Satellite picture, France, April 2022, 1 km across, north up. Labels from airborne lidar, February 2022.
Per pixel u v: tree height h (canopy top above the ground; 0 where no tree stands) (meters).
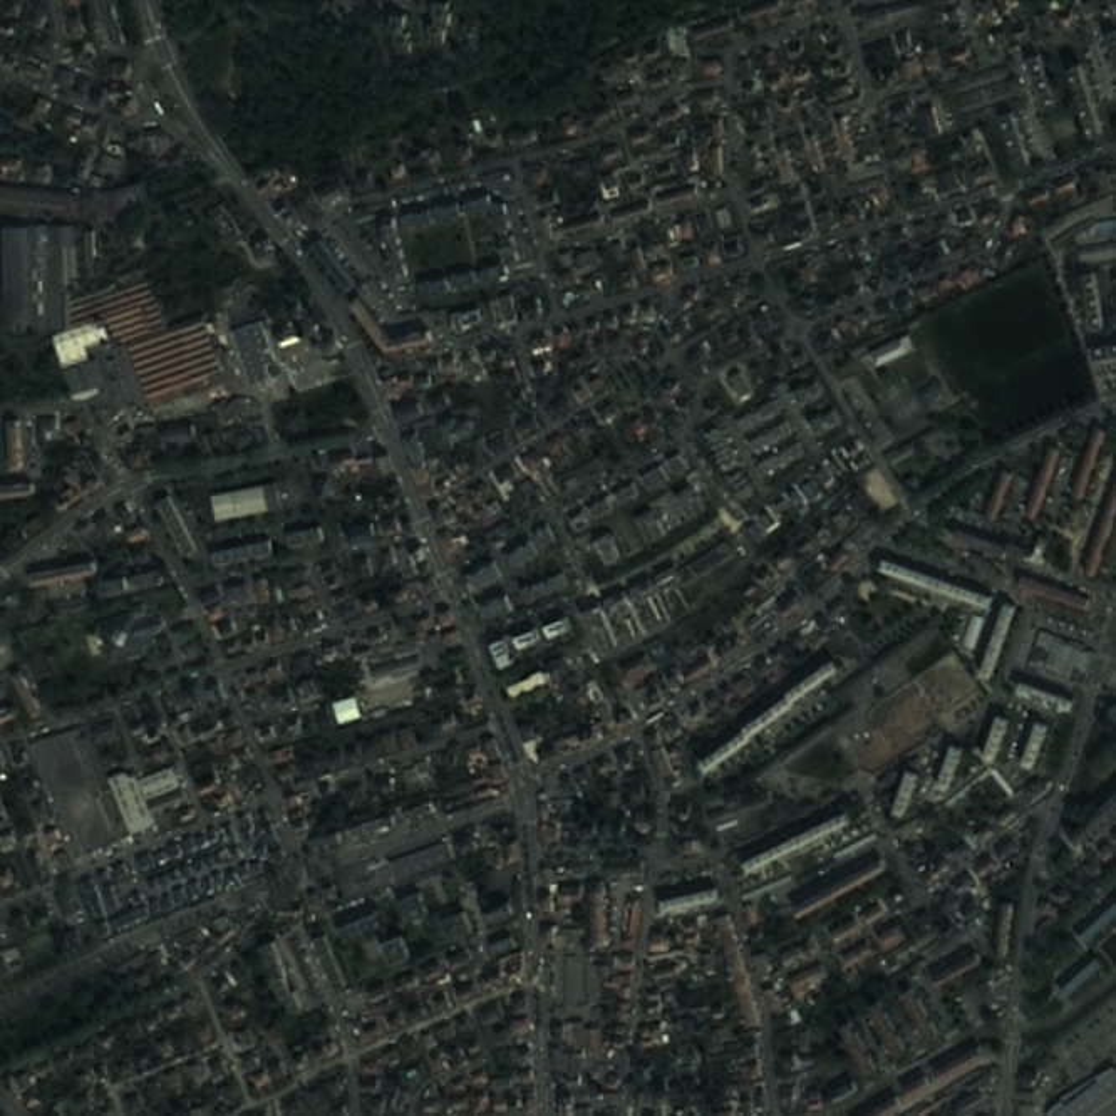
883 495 0
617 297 0
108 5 0
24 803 0
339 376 0
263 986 18
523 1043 0
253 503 0
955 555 9
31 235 0
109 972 6
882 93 0
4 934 0
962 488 11
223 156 0
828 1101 10
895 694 0
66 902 0
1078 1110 0
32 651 0
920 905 0
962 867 0
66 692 0
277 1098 0
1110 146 0
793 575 0
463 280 0
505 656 0
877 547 0
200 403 0
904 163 0
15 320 0
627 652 0
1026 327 0
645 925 0
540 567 0
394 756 0
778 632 0
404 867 0
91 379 0
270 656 0
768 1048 0
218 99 21
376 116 23
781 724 0
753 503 0
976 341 0
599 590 0
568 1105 0
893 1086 0
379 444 0
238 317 0
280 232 0
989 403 0
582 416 7
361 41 22
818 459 0
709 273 0
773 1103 0
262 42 19
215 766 0
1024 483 0
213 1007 0
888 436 0
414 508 0
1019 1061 0
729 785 8
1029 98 0
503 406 0
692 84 0
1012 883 5
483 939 0
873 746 0
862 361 0
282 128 27
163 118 0
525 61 13
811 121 7
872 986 6
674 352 0
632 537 0
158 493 0
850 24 0
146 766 0
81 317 0
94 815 0
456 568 0
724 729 5
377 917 0
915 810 0
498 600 0
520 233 0
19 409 0
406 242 0
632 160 0
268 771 0
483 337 0
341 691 0
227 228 0
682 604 0
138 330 0
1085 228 0
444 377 0
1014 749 0
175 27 10
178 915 0
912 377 0
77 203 0
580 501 0
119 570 7
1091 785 0
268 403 0
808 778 0
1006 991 0
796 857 0
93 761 0
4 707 0
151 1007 0
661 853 0
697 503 0
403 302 0
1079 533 0
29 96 0
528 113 18
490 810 0
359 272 0
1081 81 0
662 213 0
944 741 0
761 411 0
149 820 0
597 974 0
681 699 0
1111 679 0
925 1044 0
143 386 0
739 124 0
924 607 11
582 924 10
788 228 6
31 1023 0
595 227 0
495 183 0
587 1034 0
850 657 0
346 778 0
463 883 0
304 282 13
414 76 17
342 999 0
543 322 0
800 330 0
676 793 0
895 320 0
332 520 0
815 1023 16
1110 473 0
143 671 14
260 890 0
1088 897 9
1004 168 0
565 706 6
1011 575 0
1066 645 0
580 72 26
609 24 27
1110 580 0
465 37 0
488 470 0
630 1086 6
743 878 0
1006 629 0
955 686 0
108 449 0
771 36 0
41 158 12
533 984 0
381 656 0
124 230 17
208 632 0
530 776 0
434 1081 0
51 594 0
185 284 0
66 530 0
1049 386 0
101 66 0
